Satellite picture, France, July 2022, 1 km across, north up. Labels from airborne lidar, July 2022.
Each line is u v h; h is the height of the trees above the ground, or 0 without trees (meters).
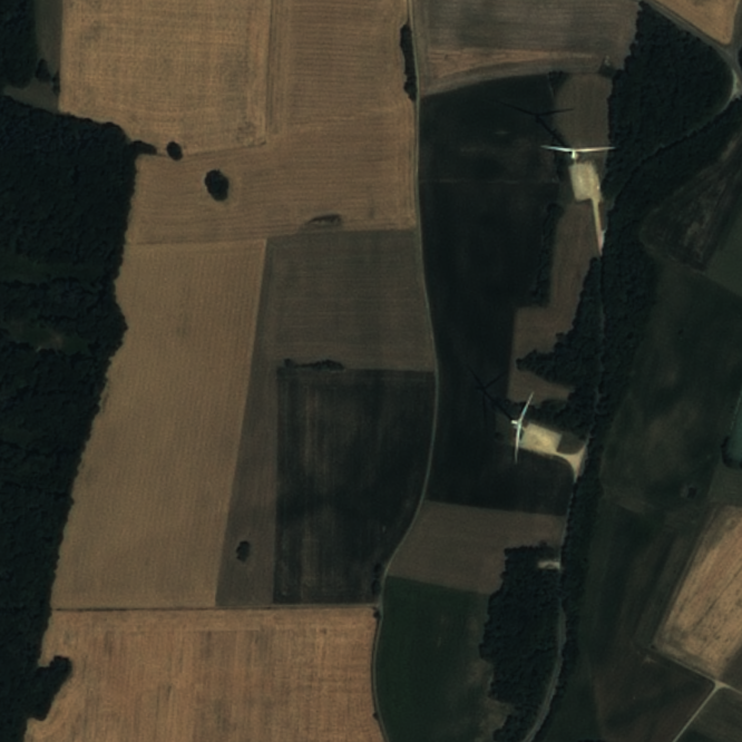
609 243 14
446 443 0
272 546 0
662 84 20
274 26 0
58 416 26
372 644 0
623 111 17
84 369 24
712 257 0
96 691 0
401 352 0
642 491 0
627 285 15
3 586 24
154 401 0
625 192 18
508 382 0
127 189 21
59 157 23
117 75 0
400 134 0
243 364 0
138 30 0
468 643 0
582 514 17
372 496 0
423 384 0
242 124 0
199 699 0
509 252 0
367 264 0
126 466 0
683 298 0
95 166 26
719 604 0
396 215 0
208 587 0
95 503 0
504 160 0
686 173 22
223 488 0
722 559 0
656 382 0
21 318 26
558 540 0
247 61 0
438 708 0
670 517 0
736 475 0
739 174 0
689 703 0
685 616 0
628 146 17
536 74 0
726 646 0
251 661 0
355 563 0
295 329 0
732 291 0
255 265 0
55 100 0
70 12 0
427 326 0
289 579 0
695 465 0
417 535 0
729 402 0
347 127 0
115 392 0
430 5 0
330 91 0
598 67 0
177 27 0
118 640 0
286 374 0
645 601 0
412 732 0
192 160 0
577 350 18
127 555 0
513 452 0
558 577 14
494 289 0
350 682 0
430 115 0
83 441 22
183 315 0
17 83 19
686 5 0
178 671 0
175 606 0
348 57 0
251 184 0
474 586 0
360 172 0
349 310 0
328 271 0
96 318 22
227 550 0
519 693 18
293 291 0
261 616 0
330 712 0
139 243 0
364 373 0
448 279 0
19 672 17
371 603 0
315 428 0
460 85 0
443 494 0
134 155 18
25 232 21
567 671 16
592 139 0
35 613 19
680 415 0
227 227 0
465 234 0
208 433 0
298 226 0
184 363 0
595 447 11
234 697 0
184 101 0
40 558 19
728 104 0
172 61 0
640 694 0
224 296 0
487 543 0
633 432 0
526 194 0
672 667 0
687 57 16
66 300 27
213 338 0
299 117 0
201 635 0
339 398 0
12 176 27
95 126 18
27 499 23
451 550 0
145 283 0
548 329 0
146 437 0
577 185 0
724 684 0
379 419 0
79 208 26
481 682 0
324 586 0
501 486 0
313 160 0
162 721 0
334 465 0
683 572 0
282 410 0
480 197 0
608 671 0
